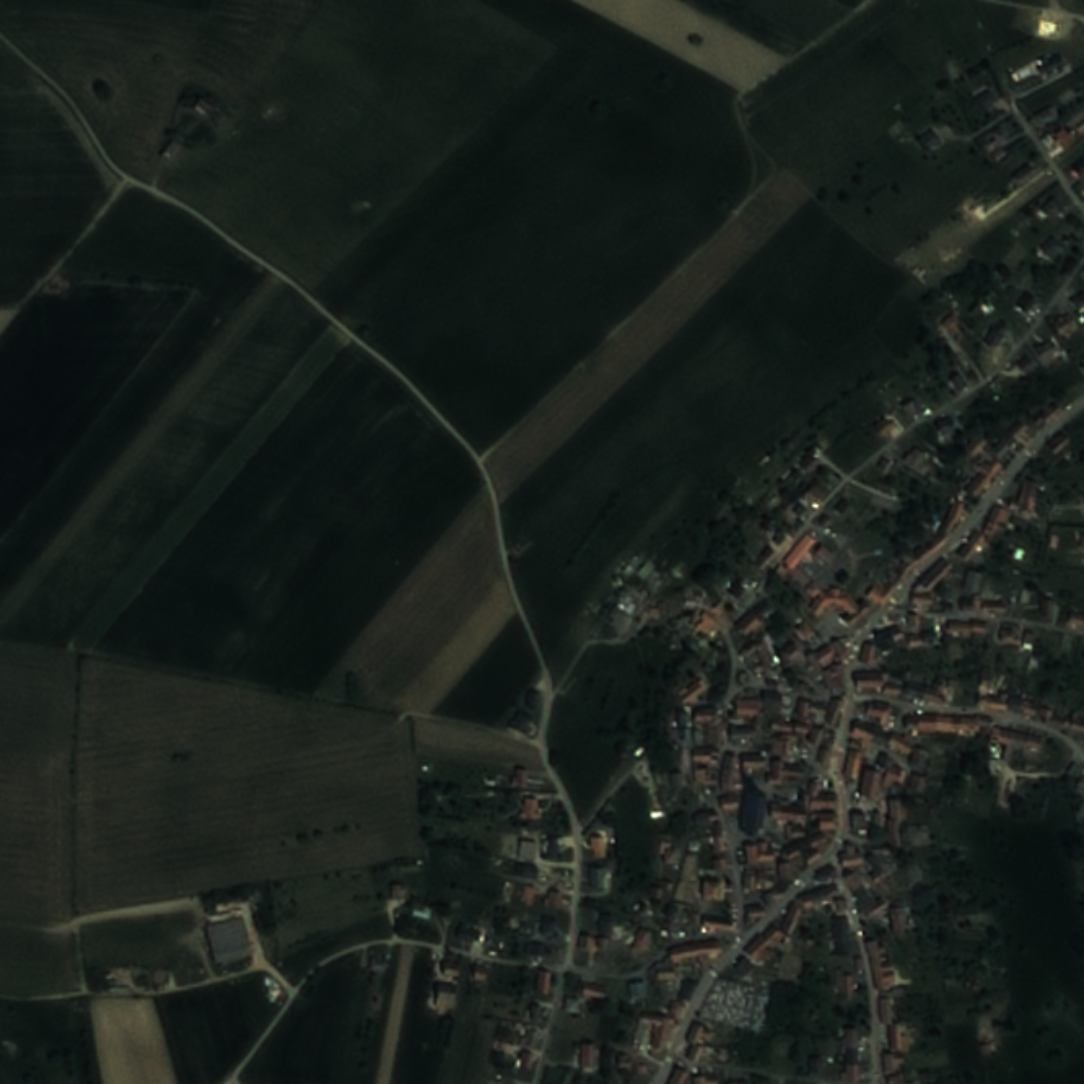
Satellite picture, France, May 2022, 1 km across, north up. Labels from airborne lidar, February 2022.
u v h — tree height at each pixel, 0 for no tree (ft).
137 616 0
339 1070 0
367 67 0
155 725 0
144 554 0
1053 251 0
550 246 0
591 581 0
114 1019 0
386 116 0
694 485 0
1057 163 0
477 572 0
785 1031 36
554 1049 0
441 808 0
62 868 0
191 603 0
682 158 0
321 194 0
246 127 0
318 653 0
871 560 0
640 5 0
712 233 0
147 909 0
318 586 0
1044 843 0
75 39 0
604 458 0
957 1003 0
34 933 0
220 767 0
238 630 0
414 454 0
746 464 0
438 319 0
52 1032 0
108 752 0
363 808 0
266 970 0
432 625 0
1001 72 0
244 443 0
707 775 0
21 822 0
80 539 0
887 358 0
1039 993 0
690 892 0
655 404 0
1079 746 0
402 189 0
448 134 0
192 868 0
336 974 0
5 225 0
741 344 0
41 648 0
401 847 0
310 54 0
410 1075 0
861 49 0
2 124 0
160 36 0
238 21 0
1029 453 0
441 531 0
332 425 0
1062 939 0
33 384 0
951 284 32
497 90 0
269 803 0
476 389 0
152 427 0
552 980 27
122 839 0
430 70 0
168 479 0
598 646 0
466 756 0
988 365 0
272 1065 0
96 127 0
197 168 0
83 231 0
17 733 0
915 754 0
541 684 0
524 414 0
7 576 0
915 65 0
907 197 0
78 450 0
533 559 0
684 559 0
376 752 0
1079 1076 0
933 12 0
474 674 0
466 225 0
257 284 0
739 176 0
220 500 0
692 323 0
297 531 0
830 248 0
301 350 0
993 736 0
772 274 0
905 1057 0
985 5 0
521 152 0
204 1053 0
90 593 0
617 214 0
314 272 0
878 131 0
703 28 0
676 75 0
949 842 0
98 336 0
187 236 0
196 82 0
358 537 0
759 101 0
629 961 0
